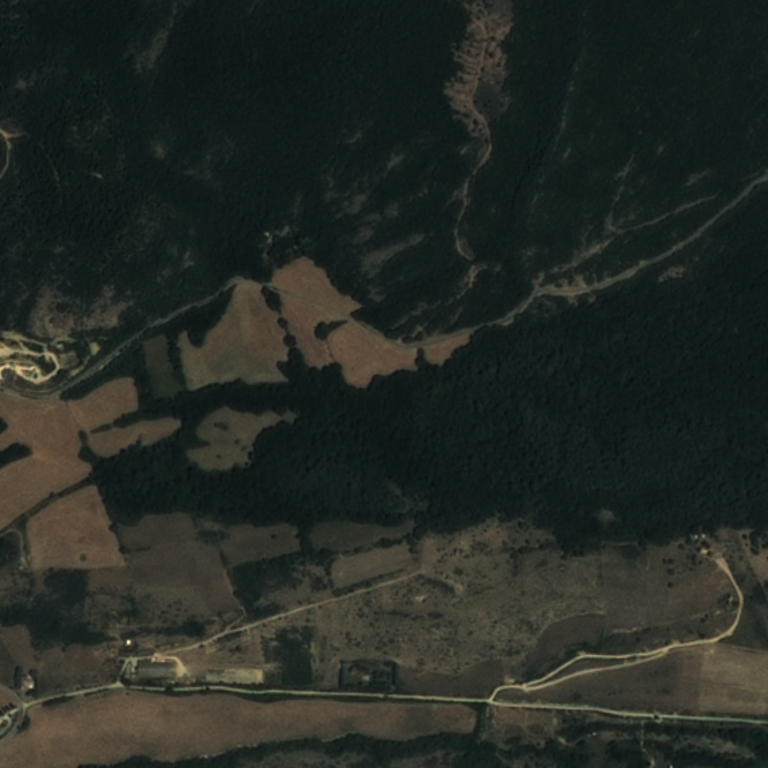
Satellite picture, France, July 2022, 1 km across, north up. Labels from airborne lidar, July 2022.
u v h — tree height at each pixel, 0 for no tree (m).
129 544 0
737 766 8
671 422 9
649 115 6
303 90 9
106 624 0
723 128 9
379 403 19
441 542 0
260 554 0
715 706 0
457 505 7
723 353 14
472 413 10
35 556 0
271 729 0
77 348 10
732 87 8
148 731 0
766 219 6
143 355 14
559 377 11
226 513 9
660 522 11
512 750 6
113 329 10
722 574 0
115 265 9
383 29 8
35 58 12
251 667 0
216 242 12
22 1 14
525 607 0
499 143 8
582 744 13
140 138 13
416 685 0
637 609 0
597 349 11
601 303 12
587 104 5
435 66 10
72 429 0
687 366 12
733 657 0
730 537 0
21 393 0
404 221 7
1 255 8
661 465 20
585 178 7
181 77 14
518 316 8
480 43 7
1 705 0
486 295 8
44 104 12
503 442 17
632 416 16
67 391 11
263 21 9
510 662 0
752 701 0
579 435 18
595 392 8
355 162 8
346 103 9
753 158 7
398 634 0
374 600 0
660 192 6
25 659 0
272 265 7
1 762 0
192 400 14
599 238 6
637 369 10
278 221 8
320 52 15
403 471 20
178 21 9
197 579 0
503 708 0
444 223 9
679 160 6
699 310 10
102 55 20
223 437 0
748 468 11
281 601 0
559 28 9
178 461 10
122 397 0
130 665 0
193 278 8
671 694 0
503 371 19
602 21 6
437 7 11
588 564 0
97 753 0
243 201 9
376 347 0
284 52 16
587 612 0
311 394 19
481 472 10
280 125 12
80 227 12
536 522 6
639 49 6
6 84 14
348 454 7
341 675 9
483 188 7
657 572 0
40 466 0
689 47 7
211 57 13
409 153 6
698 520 12
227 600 0
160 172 9
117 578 0
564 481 15
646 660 0
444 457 9
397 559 0
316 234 12
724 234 8
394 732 0
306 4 13
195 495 12
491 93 0
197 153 8
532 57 10
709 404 10
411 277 8
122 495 9
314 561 9
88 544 0
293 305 0
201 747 0
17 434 0
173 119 9
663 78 8
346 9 11
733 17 6
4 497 0
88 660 0
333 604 0
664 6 7
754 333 15
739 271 15
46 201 13
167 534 0
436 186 7
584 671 0
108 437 0
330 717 0
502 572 0
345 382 12
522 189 8
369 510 6
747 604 0
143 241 9
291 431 16
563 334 15
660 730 13
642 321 11
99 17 18
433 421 8
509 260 8
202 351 0
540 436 18
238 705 0
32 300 7
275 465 16
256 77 12
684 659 0
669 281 8
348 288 11
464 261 6
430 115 10
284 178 13
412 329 8
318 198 7
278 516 8
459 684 0
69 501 0
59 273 6
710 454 10
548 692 0
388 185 8
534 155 7
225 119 11
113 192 12
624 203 7
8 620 8
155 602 0
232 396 18
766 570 0
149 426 0
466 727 0
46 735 0
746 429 9
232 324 0
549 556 0
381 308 11
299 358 18
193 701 0
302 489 9
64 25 16
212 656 0
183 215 8
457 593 0
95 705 0
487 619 0
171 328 17
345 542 0
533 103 9
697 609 0
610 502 11
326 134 10
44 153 9
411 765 0
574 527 8
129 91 16
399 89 9
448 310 8
